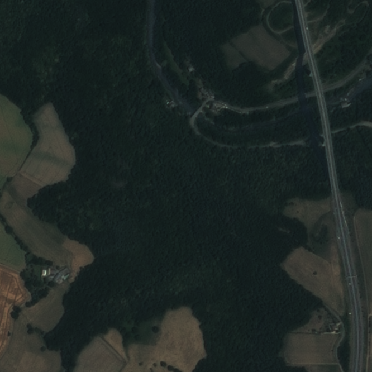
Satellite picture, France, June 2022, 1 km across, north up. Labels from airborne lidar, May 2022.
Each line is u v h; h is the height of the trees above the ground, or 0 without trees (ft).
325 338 0
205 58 46
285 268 0
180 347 0
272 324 73
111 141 80
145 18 36
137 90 70
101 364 0
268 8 27
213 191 39
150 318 33
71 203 81
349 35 32
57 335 68
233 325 48
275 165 56
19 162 0
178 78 52
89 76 66
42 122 0
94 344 0
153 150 78
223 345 40
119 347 0
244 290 86
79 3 60
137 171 72
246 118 68
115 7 100
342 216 0
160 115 41
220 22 45
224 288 67
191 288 44
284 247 41
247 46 0
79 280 48
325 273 0
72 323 96
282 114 71
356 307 0
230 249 74
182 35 28
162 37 42
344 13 32
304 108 0
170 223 58
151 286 75
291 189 42
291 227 45
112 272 43
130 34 65
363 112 62
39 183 0
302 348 0
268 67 0
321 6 22
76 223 59
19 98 69
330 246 0
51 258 0
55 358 0
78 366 0
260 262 52
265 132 81
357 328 0
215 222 71
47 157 0
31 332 48
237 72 56
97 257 47
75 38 91
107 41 66
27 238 0
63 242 0
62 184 51
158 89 95
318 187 64
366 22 39
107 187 27
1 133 0
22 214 0
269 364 59
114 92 56
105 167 63
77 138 51
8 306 0
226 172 55
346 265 0
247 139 70
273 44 0
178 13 64
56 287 0
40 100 62
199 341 0
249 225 42
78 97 81
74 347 73
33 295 44
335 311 0
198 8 52
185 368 0
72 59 66
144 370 0
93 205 66
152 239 63
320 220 0
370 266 0
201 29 61
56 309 0
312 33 0
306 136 71
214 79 63
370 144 65
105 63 62
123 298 73
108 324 38
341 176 58
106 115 67
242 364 83
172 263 64
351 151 51
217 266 84
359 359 0
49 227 0
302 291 37
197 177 31
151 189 41
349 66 44
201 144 74
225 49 0
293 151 37
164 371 0
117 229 101
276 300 57
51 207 73
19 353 0
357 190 60
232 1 48
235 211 39
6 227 42
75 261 0
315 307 31
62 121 39
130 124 21
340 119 75
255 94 36
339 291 0
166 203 49
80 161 67
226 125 68
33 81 58
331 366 0
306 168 58
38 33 56
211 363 66
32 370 0
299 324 38
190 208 83
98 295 87
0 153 0
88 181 64
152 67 58
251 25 35
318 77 24
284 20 0
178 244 44
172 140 48
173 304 54
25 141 0
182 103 0
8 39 60
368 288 0
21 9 52
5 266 0
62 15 75
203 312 63
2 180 0
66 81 72
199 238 90
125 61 59
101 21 91
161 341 0
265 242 47
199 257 63
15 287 0
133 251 55
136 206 42
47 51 63
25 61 64
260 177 50
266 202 56
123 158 40
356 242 0
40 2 47
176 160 22
